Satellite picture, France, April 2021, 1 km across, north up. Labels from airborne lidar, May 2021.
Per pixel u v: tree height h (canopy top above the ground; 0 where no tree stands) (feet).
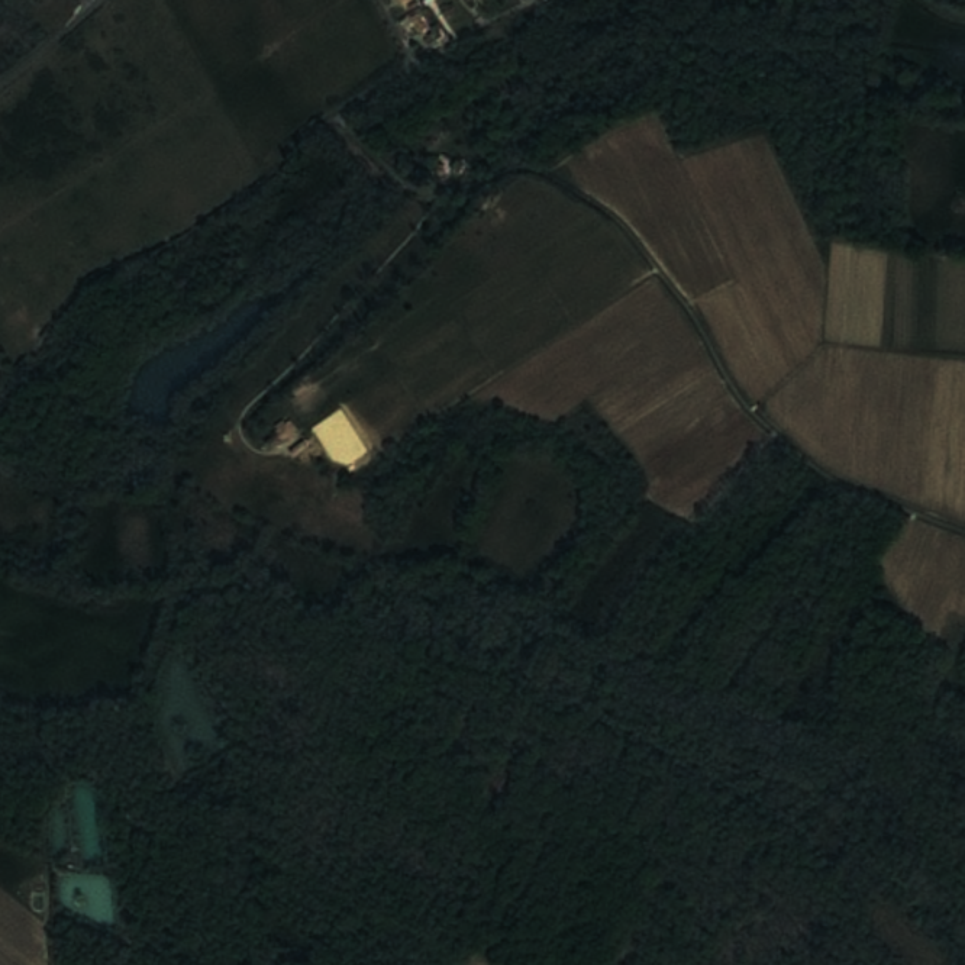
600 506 62
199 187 0
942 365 0
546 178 40
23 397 72
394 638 58
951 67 0
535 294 0
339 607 74
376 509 65
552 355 0
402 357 0
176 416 62
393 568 65
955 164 0
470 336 0
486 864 58
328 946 69
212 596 85
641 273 0
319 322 0
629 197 0
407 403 0
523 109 68
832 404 0
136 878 58
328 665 67
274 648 56
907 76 61
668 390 0
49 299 0
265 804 60
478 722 60
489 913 56
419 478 72
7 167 0
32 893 0
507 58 73
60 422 79
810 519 72
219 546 0
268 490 0
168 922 60
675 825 67
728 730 77
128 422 54
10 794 75
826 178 73
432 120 73
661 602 69
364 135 60
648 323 0
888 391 0
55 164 0
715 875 58
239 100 0
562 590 84
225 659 57
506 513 0
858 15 49
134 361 59
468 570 31
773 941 64
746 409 0
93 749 63
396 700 62
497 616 93
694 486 0
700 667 73
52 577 80
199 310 69
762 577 73
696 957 68
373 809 67
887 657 70
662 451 0
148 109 0
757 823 62
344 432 0
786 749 71
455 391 0
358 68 0
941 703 56
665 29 86
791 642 61
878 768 60
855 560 65
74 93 0
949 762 77
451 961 62
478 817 60
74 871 26
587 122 58
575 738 57
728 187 0
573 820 70
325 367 32
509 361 0
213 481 0
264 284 32
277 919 75
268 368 0
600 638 71
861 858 56
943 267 0
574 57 94
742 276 0
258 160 0
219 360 34
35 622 0
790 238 0
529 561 0
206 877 65
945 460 0
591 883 60
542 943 79
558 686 78
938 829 54
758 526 44
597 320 0
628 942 53
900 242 67
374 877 48
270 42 0
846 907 60
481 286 0
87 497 69
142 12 0
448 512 0
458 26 0
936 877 61
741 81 68
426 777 73
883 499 47
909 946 0
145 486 71
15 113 0
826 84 58
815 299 0
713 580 56
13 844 52
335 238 70
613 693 74
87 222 0
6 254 0
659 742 30
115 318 76
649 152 0
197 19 0
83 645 0
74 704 28
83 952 66
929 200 0
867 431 0
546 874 63
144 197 0
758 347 0
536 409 0
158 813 72
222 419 47
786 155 54
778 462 75
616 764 54
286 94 0
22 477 56
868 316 0
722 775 28
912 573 0
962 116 63
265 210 74
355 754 64
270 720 49
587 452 58
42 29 26
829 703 75
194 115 0
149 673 44
